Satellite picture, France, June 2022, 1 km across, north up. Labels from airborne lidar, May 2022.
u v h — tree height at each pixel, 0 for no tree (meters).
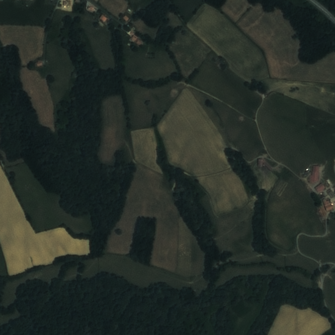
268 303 15
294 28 10
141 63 0
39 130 24
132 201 0
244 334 0
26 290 16
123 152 8
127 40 0
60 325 19
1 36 0
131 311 17
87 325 10
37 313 11
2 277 17
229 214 0
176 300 26
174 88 0
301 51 19
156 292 23
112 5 0
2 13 0
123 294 21
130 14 0
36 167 18
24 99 25
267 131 0
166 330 24
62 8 0
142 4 0
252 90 16
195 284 0
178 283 0
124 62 8
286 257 0
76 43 26
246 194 0
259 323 11
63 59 0
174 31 8
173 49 0
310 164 0
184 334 12
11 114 21
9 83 11
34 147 28
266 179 0
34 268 13
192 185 12
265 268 0
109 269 0
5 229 0
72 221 0
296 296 10
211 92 0
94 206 25
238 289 7
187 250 0
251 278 21
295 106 0
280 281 22
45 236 0
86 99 25
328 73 0
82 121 26
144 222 21
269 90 0
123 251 0
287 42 0
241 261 0
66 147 27
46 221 0
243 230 0
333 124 0
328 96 0
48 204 0
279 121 0
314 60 18
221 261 13
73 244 0
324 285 0
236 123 0
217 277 22
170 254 0
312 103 0
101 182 25
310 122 0
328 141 0
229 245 0
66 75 0
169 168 24
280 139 0
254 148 0
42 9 0
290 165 0
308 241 0
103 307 20
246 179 12
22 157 24
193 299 19
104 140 0
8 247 0
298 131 0
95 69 20
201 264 0
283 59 0
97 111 7
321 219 0
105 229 15
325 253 0
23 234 0
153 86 20
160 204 0
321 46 24
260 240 20
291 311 0
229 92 0
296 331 0
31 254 0
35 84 0
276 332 0
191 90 0
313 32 25
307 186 0
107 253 0
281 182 0
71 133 27
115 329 22
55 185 19
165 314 7
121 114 0
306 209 0
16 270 0
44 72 0
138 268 0
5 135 20
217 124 0
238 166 11
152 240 14
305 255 0
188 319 13
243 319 0
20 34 0
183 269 0
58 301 9
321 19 23
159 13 23
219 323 15
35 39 0
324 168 0
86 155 23
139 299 26
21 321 14
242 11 0
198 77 0
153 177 0
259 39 0
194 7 0
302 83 0
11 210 0
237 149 0
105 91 10
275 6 24
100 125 6
